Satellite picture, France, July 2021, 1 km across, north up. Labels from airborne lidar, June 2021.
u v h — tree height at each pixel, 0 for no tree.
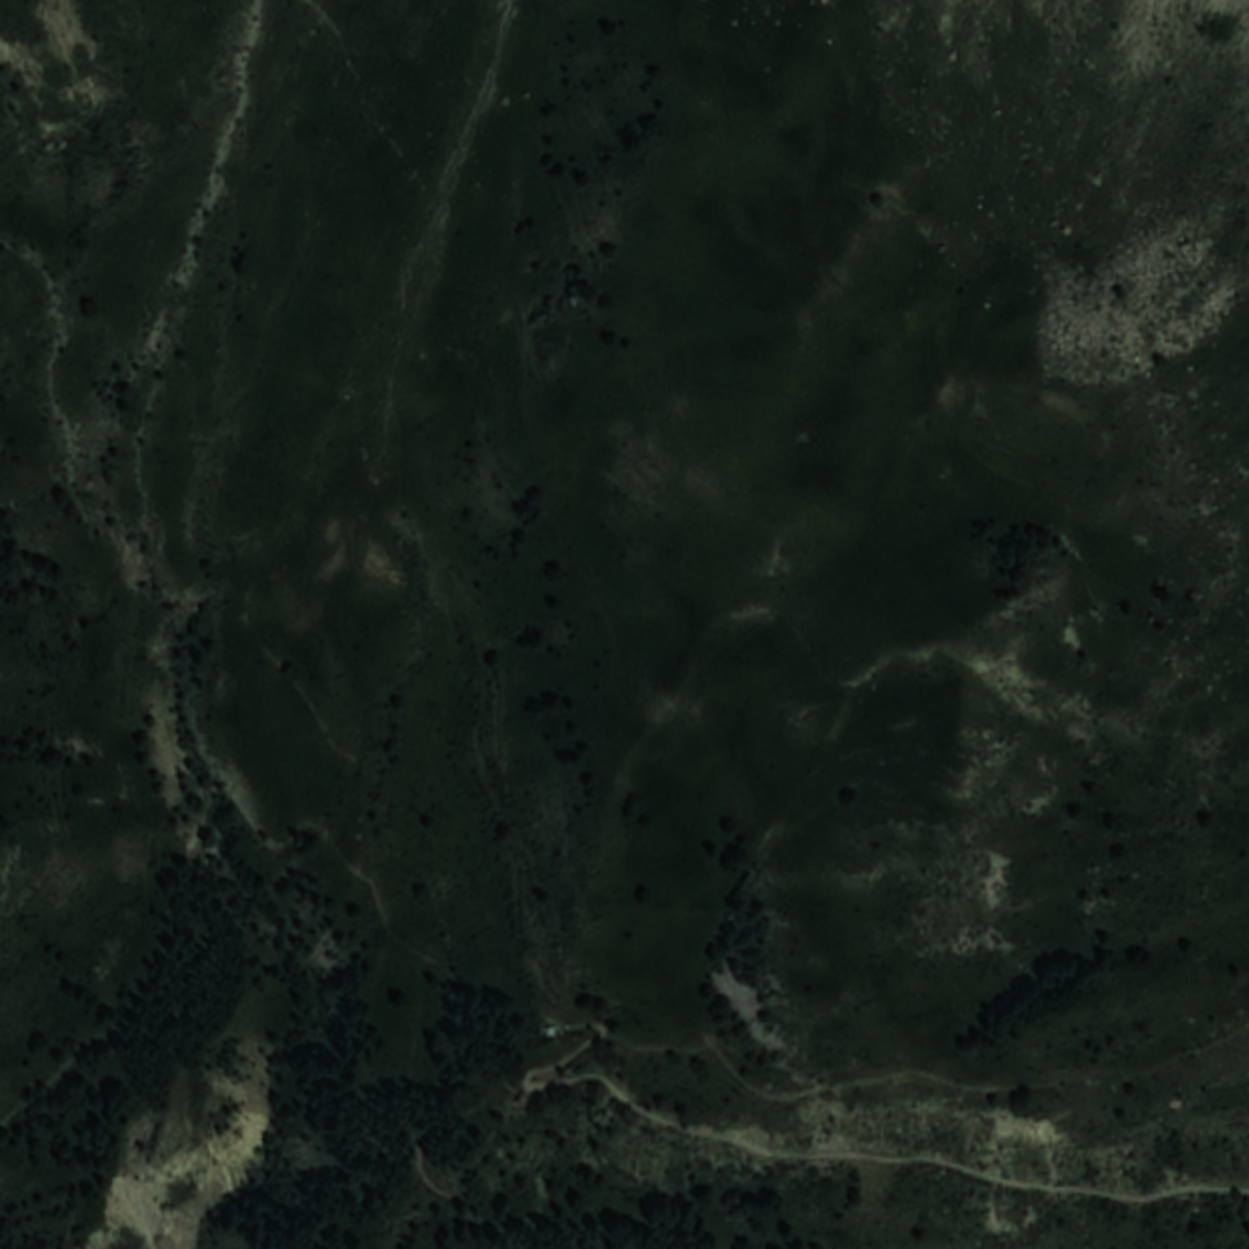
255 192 0
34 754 9
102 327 0
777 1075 0
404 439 0
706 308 0
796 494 0
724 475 0
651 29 0
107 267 0
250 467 0
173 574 0
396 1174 31
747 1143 0
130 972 0
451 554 0
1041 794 0
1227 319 0
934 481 0
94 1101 27
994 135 0
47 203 0
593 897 0
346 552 0
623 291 0
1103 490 0
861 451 0
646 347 0
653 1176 0
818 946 0
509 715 0
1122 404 0
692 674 0
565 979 0
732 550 0
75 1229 7
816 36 0
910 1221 0
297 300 0
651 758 0
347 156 0
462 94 0
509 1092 0
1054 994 26
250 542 0
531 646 12
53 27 0
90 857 0
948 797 0
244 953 23
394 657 0
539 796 0
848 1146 0
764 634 0
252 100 0
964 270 0
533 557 0
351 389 0
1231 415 0
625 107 0
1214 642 0
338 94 0
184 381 0
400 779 0
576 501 0
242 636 0
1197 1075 0
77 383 0
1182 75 0
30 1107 25
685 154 0
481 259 0
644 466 0
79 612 0
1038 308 0
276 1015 0
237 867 22
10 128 0
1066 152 0
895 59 0
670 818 0
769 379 0
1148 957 19
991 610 0
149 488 0
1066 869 0
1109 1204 7
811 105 0
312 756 0
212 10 0
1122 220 0
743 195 0
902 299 0
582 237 0
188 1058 22
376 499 0
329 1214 19
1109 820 12
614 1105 6
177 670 7
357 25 0
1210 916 0
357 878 0
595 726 0
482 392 0
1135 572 0
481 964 0
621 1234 30
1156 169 0
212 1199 0
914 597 0
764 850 0
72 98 0
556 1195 11
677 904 0
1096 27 0
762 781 0
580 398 0
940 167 0
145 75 0
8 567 26
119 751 0
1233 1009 0
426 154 0
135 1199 0
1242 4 0
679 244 0
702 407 0
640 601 0
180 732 7
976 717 0
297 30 0
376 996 0
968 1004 0
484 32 0
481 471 0
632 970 0
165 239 0
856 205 0
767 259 0
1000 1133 0
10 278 0
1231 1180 0
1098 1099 0
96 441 0
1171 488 0
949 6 0
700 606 0
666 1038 0
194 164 0
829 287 0
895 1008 0
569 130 0
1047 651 0
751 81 0
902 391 0
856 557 0
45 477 0
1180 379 0
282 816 0
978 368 0
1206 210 0
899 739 0
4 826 19
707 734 0
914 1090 0
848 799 16
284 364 0
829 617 0
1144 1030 12
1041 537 16
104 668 0
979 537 9
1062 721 0
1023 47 0
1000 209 0
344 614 0
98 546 0
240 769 0
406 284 0
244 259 14
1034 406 0
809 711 0
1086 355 0
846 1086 0
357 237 0
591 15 0
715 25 0
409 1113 31
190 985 27
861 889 0
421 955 0
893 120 0
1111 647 0
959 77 0
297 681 6
